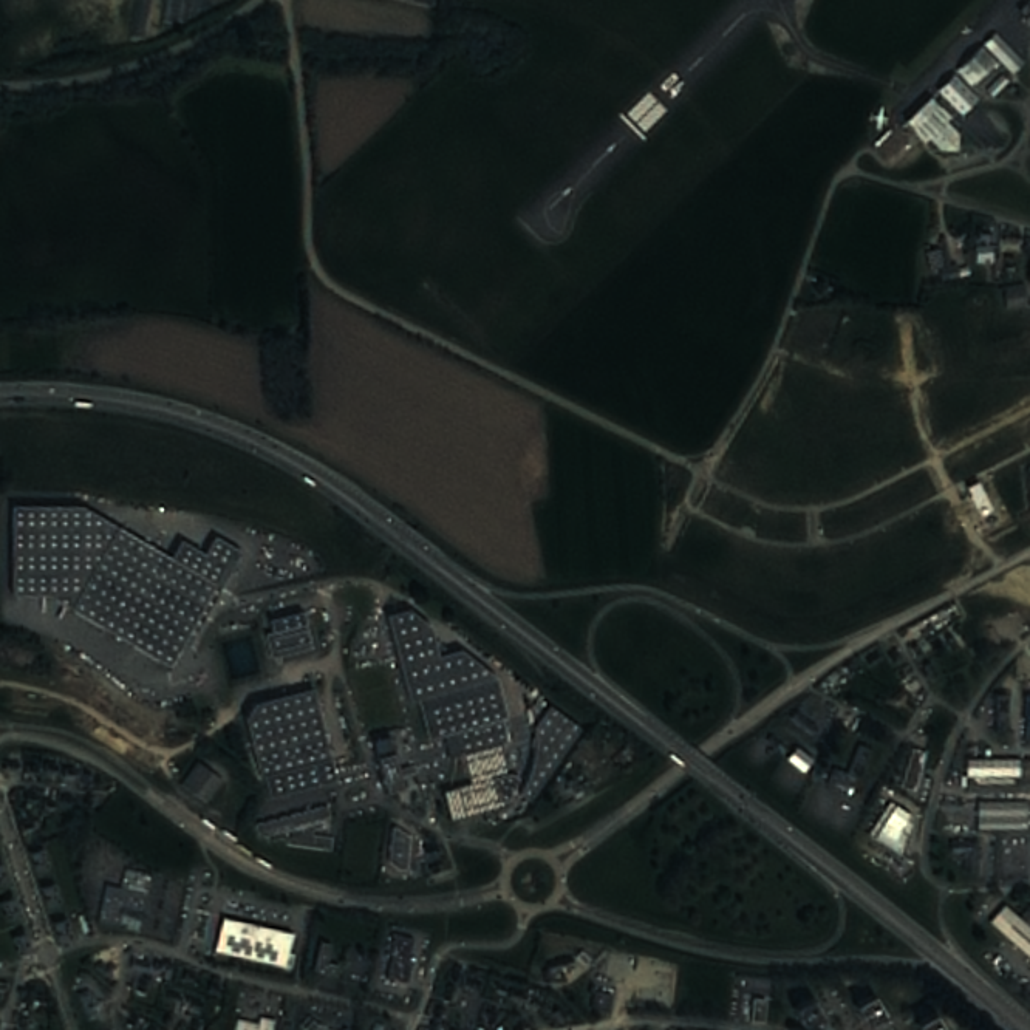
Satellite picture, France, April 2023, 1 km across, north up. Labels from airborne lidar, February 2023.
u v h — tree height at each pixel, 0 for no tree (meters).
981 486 0
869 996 0
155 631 0
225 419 0
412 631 0
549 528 0
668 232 0
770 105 0
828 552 0
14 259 0
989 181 0
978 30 0
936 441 0
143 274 0
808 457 0
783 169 0
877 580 0
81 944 0
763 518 0
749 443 0
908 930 0
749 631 0
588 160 0
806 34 0
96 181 0
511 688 0
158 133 0
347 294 0
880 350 0
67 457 0
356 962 0
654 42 0
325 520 0
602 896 0
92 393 0
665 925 0
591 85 0
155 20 0
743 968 0
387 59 16
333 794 0
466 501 0
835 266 0
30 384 0
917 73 0
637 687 0
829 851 0
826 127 0
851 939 0
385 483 0
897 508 0
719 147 0
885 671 0
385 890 0
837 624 0
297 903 0
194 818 0
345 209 0
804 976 12
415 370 0
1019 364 0
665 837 8
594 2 0
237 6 0
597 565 0
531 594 0
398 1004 10
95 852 0
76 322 15
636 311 0
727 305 0
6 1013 0
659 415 0
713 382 0
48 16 0
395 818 0
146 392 0
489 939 0
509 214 0
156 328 0
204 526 0
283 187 0
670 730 0
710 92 0
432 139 0
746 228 0
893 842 0
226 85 0
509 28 8
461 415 0
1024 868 0
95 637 0
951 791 0
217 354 0
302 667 0
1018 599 0
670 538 0
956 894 0
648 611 0
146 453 0
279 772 0
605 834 0
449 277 0
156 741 0
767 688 0
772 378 0
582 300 0
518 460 0
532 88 0
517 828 0
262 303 0
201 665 0
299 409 13
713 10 0
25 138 0
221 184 0
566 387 0
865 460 0
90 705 0
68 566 0
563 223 0
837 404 0
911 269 0
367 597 0
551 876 0
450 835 0
